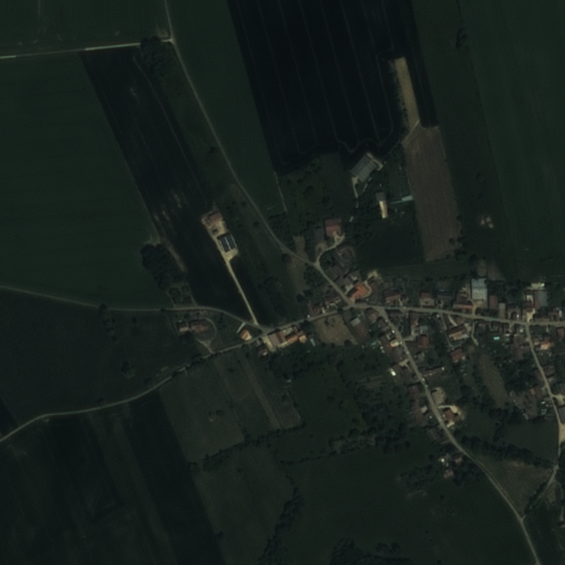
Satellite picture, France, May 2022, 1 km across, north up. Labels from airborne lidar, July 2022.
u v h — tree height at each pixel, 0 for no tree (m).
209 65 0
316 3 0
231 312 0
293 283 0
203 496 0
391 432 10
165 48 19
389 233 0
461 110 0
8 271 0
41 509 0
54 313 0
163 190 0
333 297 0
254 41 0
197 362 10
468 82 0
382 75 0
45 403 0
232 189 0
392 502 0
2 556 0
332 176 0
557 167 0
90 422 0
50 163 0
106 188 0
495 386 0
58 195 0
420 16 0
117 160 0
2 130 0
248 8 0
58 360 0
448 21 0
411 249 0
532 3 0
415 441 0
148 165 0
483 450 25
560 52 0
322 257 6
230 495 0
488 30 0
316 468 0
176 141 0
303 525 0
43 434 0
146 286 0
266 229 0
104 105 0
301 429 7
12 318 0
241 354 0
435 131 0
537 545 0
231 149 0
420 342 0
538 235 0
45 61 0
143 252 13
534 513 7
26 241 0
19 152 0
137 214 0
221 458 8
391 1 0
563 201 0
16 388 0
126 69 0
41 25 0
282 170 0
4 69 0
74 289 0
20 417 0
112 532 0
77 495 0
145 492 0
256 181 0
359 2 0
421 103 0
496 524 0
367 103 0
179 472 0
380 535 0
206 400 0
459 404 9
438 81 0
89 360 0
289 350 0
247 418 0
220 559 0
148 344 0
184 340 11
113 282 0
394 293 0
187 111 0
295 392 0
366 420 13
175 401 0
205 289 0
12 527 0
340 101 0
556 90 0
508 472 0
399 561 10
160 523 0
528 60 0
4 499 0
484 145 0
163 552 0
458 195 0
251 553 0
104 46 0
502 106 0
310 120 0
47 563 0
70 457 0
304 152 0
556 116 0
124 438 0
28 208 0
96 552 0
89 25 0
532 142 0
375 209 8
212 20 0
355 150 0
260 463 0
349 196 0
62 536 0
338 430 0
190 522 0
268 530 0
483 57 0
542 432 0
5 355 0
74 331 0
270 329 0
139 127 0
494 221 0
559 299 0
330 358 12
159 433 0
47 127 0
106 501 0
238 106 0
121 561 0
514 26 0
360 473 0
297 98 0
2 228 0
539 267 0
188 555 0
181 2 0
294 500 8
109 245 0
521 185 0
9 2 0
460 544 0
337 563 9
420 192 0
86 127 0
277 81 0
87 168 0
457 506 0
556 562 0
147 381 9
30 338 0
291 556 15
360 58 0
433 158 0
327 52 0
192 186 0
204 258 0
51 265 0
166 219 0
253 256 0
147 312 0
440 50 0
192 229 0
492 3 0
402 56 0
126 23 0
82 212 0
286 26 0
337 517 0
